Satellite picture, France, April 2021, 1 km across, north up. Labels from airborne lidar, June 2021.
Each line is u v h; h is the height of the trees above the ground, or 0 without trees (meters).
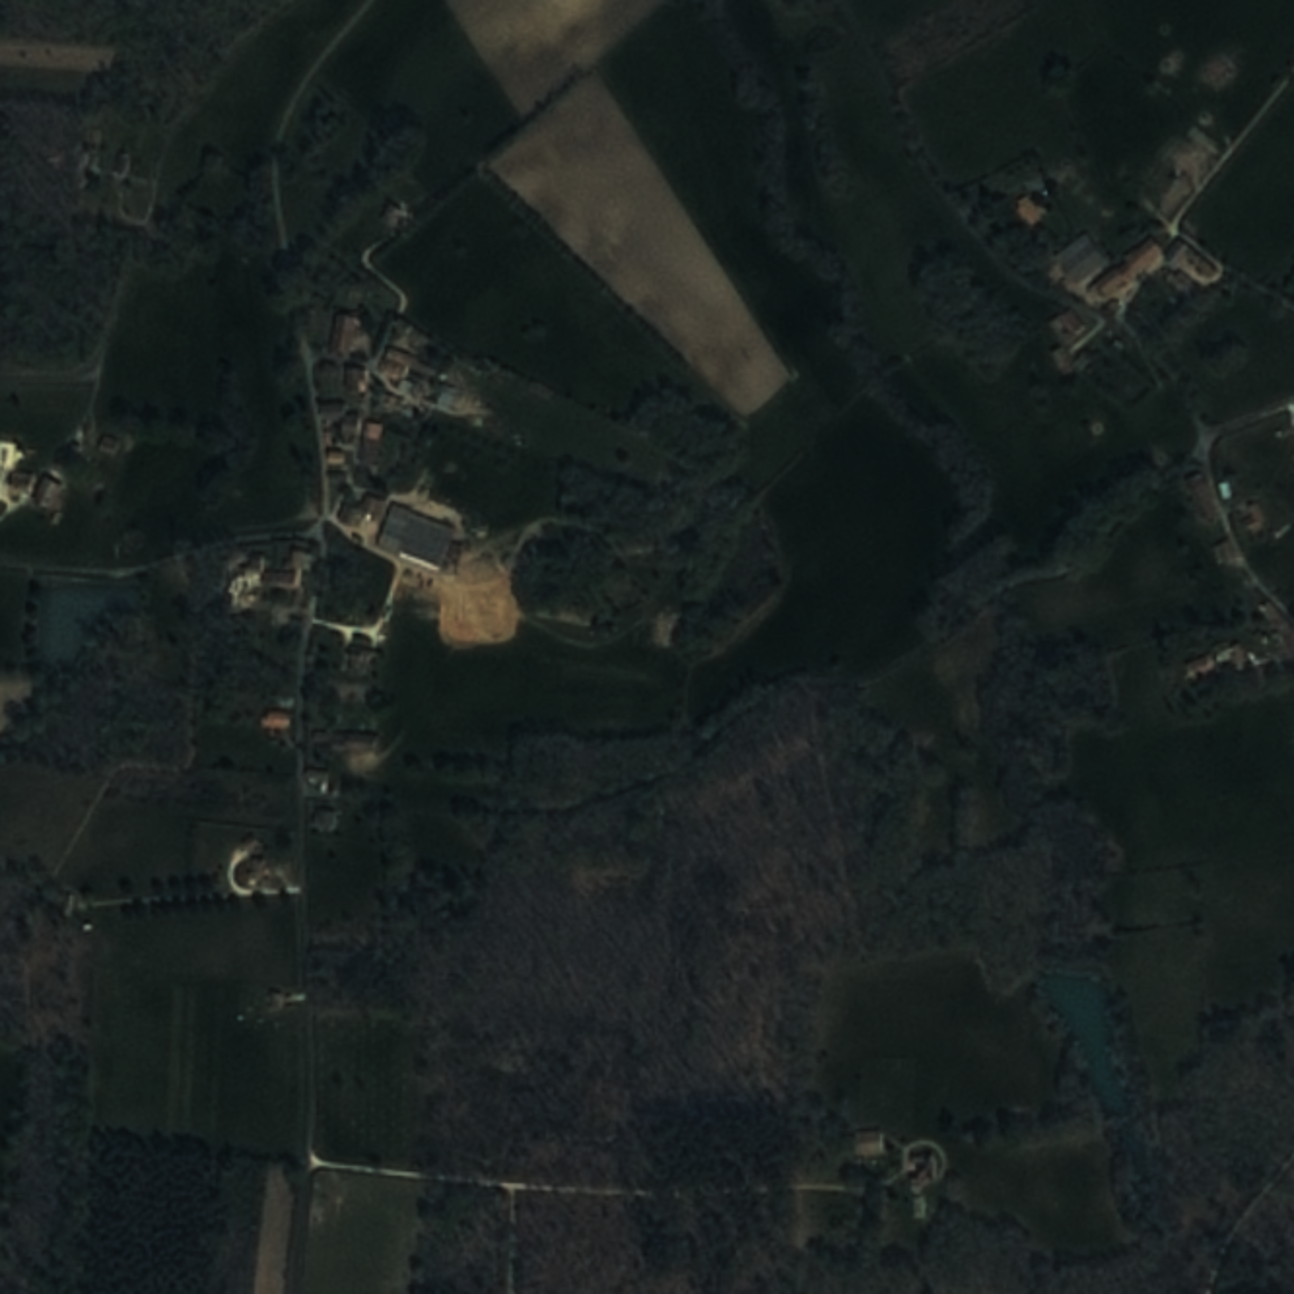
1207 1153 20
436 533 0
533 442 0
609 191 0
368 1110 0
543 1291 8
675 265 0
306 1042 0
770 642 0
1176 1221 14
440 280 0
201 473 0
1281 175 0
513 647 0
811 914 14
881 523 0
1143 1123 17
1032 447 0
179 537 19
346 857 0
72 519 0
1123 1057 15
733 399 0
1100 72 0
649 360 0
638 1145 15
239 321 0
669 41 0
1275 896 0
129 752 11
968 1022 0
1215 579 0
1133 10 0
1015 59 0
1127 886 0
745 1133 28
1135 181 0
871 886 17
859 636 0
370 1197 0
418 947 15
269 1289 0
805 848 16
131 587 0
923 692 0
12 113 14
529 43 0
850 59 0
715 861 16
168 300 0
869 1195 13
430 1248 13
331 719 8
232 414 17
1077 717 27
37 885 13
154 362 0
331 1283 0
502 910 18
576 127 0
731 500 18
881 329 0
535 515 0
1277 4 0
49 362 18
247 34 16
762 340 0
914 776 26
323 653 9
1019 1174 0
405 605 0
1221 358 16
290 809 0
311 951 7
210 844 0
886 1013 0
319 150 31
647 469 0
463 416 0
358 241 0
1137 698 0
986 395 0
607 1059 14
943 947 18
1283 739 0
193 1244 19
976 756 16
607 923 17
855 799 15
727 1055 15
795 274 0
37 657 10
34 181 16
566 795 13
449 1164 9
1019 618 20
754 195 0
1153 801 0
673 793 20
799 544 0
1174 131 0
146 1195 17
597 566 24
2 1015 11
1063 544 20
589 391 0
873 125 0
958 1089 0
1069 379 8
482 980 21
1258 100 0
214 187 0
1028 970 23
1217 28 0
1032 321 6
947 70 0
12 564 0
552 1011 18
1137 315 9
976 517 23
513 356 0
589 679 0
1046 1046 0
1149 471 18
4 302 14
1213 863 0
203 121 0
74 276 11
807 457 0
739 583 9
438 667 0
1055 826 16
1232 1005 0
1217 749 0
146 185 0
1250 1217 14
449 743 0
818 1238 0
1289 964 0
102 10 21
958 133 0
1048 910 17
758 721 15
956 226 0
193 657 18
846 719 18
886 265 0
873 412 0
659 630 0
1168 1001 0
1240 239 0
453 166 0
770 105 14
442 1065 7
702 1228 13
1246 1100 19
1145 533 0
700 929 18
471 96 0
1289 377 0
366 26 0
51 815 0
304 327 21
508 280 0
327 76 0
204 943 0
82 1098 15
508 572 0
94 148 7
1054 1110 0
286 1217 0
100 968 0
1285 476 0
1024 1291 23
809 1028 21
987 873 15
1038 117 0
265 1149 0
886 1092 0
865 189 0
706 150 0
